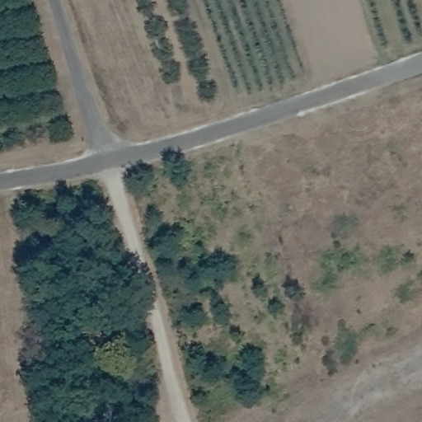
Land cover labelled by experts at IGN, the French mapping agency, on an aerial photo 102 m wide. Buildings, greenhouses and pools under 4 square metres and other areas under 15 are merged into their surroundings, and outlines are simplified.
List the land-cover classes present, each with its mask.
<instances>
[{"label":"herbaceous vegetation","instance_id":"1","mask_svg":"<svg viewBox=\"0 0 422 422\"><path fill-rule=\"evenodd\" d=\"M36 8L40 15L41 33L49 53L46 61L16 64L12 68L0 69V76L7 77L26 69L43 68L53 63L58 74L56 89L41 91L40 99L45 101L48 96L61 94L66 110V114L56 115L53 119H49L45 114L26 122H18L16 129L25 143L20 147L16 145L10 150L0 152V175L63 165L61 160L64 158L77 157L89 150V135L77 105L73 79L69 73L68 61L64 56L63 43L59 38L49 0H0V18L20 16L26 12H33ZM68 120H71L73 125L71 140L51 142L49 122L59 124ZM155 3L153 13L162 16L166 21L165 36L170 41L173 58L180 63V79L168 84L163 81L160 73L162 64L153 56L150 38L145 31V16L137 10V0H61L77 58L81 61L87 89L96 102L102 125L109 135L115 132L125 138L127 143L160 137L176 130L190 129L208 120H218L219 124H223L221 119L226 115L252 107L264 110L272 105L285 104L288 101H295L297 94L307 91L305 77L287 79L284 84H275L274 89H257L249 94L246 89L239 91L237 87H232L231 77L224 66L223 56L219 51L218 41L214 36L203 0H188V15L191 21L196 23V31L208 59L206 76L209 81L216 84L214 99L203 101L199 99L198 82L188 69V61L175 30L178 15H173L168 10L166 0H152ZM387 38V46H381L374 28L373 15L366 0H363L361 5L364 21L373 45L376 46V61L379 66L394 63L396 59L414 54L412 51L419 46L410 38V41L404 40L399 30V21L392 0H374ZM186 160H190L191 171L185 186L180 188H175L170 178L163 176L162 157L150 158L147 163L153 166V178L147 185L152 195L143 196L135 201V208L143 218L148 204H155L166 224L175 223L178 218H186L195 219L196 223L201 224L204 216H209V221L216 227V236L204 244L208 252L221 249L239 260L236 282L224 284L219 290L224 302H229V318L232 323L229 330L232 338L227 341V349L239 351L246 345L262 346L265 371L260 384L270 386L269 394L262 397L257 406H242L241 409L224 414L226 422H422V389H415L399 399H379L374 406L359 409L354 415L349 414L345 407L338 406L333 397L336 384L353 381L366 368H382L379 356H389L404 349L412 351L422 338V293L409 302H401L397 297V287L406 280H412L410 288L422 290V73L417 74L414 79L412 76L399 77L396 81L384 82L371 89L300 110L297 114L287 115L254 129L199 143L181 152ZM341 214H356L359 221V226L354 229L353 234H349L348 239L341 242L346 251L359 246L364 256H373L379 254L382 247L404 246L407 251L414 254V260L402 267H396L389 274H382L381 267L376 264L351 265L341 274L340 279L336 280V288H328L325 292L313 290V282L323 279L320 260L315 256L325 254L333 246L330 224L335 216ZM295 305L312 307V315L318 316V326L303 335L305 349L293 345L292 336L288 335L282 325L284 321L292 318ZM340 320H345L351 331L361 330L369 323L371 333L363 343H359L351 363L335 361L336 373L331 376L323 364L326 351L321 338L328 336L330 341L336 340ZM38 198L48 201V208L45 211L48 219L56 218L58 206L64 198L71 199L74 204H84L87 209H91L92 206L105 208L109 204V198H105L102 186H99L96 180H87L82 185L74 186H68L66 183L58 181L56 185L51 190H31ZM51 244V237L38 231L20 241L16 242L13 251V262L18 267L25 264L26 260H35L40 252L45 251ZM152 280L155 285L153 308L162 313L165 321L173 368L183 394L190 397L186 401V407L193 422H198V409L191 402V392L186 384L183 358L180 348L176 345L175 328L171 321L160 277L157 269L150 272ZM206 323L199 328V343L203 345L214 338H219L223 330L221 325L214 323L213 308L209 297H206L201 303ZM119 331L114 330L110 331L109 335L101 333V336H76L73 338V345L86 341L87 345L94 348L104 346L105 343L119 338ZM155 409L160 422H176L168 391L162 382L158 381V401Z\"/></svg>","mask_w":422,"mask_h":422},{"label":"deciduous trees","instance_id":"2","mask_svg":"<svg viewBox=\"0 0 422 422\"><path fill-rule=\"evenodd\" d=\"M155 3L152 0H137V10L145 16V31L150 38L153 56L162 64L160 73L163 81L168 84L180 79V63L173 58L170 41L165 36L166 21L162 16L153 13ZM168 10L173 15H178L175 30L188 61V69L198 82L199 99L203 101L214 99L216 84L209 81L206 76L208 59L196 31V23L191 21L188 15V0H166ZM373 15L374 28L381 46H387V38L374 0H366ZM399 21V30L404 40L410 41V38L407 21L402 13L401 0H392ZM49 53L41 33L40 15L36 8L33 12H26L20 16L0 18V69L12 68L16 64L46 61ZM58 74L53 63L43 68L26 69L7 77L0 76V152L10 150L16 145L20 147L25 143L16 129L18 122H26L45 114L49 119H53L56 115L66 114V110L61 94L48 96L45 101L40 99L41 91L56 89ZM51 142L71 140L73 125L71 120H68L59 124L49 122ZM163 176L170 178L175 188H180L185 186L191 171L190 160H186L181 152L166 148L162 157ZM153 166L147 163H135L125 171V190L134 196L135 201L143 196L152 195L147 185L153 178ZM48 201L38 198L31 190L23 191L21 195L16 196L10 209L20 241L38 231L51 237V244L45 251L40 252L35 260H26L25 264L18 267L15 275L23 292V307L26 312L25 325L18 331V336L23 341L18 353V376L21 384L25 386L30 422H160L155 409L158 401V381L162 374V364L158 359L155 335L152 328L147 325L148 315L153 308L155 285L152 280L150 282L142 279L140 272L135 274L134 270L120 260L129 249L125 247L124 237L119 229L115 227L114 208L109 204L105 208L92 206L91 209H87L84 204H74L71 199L64 198L58 206L56 218L48 219L45 211L48 208ZM114 330L119 331V338L105 343L104 346L94 348L87 345L86 341L73 345V338L76 336H101V333L109 335L110 331ZM185 231L180 224L175 223L166 224L155 204H148L143 218V241L148 254L155 260L157 269L160 277L180 275L181 279H185L186 287L195 293H203L206 297H209L213 308L214 323L221 325L229 318V302H224L219 290L224 284L236 282L239 260L221 249L208 252L199 256L198 264L195 265L191 264L188 257L180 259L178 264L173 262L171 257L175 256L176 251H180L181 237ZM206 323L201 303L183 305L178 316L171 321L175 328H199ZM183 358L190 356L196 359L199 356L206 359L201 376L204 381L226 379L234 387V399L241 402L242 406H257L262 397L269 394L270 386L260 384L265 371L262 346L246 345L239 351L232 364L227 361L226 356H216L211 351H204L203 345L199 343H185L180 348Z\"/></svg>","mask_w":422,"mask_h":422},{"label":"agricultural land","instance_id":"3","mask_svg":"<svg viewBox=\"0 0 422 422\"><path fill-rule=\"evenodd\" d=\"M363 0H203L214 36L218 41L219 51L223 56L224 66L231 77L232 87H237L239 91L246 89L249 94L257 89H274L275 84H284L287 79L305 77L307 91L331 81H340L343 84L351 81L349 76L353 74H361L379 66L376 61V46L373 45L364 21L361 5ZM402 13L407 21L410 38L419 46L412 51L414 54L422 53V0H401ZM56 185L54 181H48L35 185L10 186L0 190V422H30L25 386L21 384L18 376V353L23 341L18 336V331L25 325L26 312L23 307V292L15 275L18 267L13 262V251L16 242L20 241L10 209L16 196L21 195L23 191L31 190H51Z\"/></svg>","mask_w":422,"mask_h":422},{"label":"brushwood","instance_id":"4","mask_svg":"<svg viewBox=\"0 0 422 422\"><path fill-rule=\"evenodd\" d=\"M333 246L325 254L315 256L320 260L323 279L313 282V290L325 292L328 288H336V280L340 279L341 274L351 265L376 264L381 267L382 274H389L396 267H402L414 260V254L407 251L404 246L382 247L379 254L373 256H364L359 246L346 251L341 242L348 239L349 234H353L354 229L359 226V221L356 214H341L335 216L330 224ZM175 223L180 224L185 231L181 237L180 251H176L175 256L171 257L173 262L178 264L180 259L188 257L191 264L195 265L198 264L199 256L208 252L204 244L216 236V227L209 221V216H204L201 224L196 223L195 219L186 218H178ZM171 321L178 316L183 305L201 303L206 297L203 293H195L186 287L185 279H181L180 275L160 277ZM412 280H406L397 287V297L401 302H409L422 293V290L410 288ZM282 325L288 335L292 336L293 345L305 349L303 335L318 326V316L312 315V307L295 305L292 318L284 321ZM223 330L219 338H214L203 345L204 351H211L216 356H226L227 361L232 364L239 351L227 349V341L232 338L229 330L232 323L229 318L221 325ZM371 333L369 323L361 330L351 331L345 320H340L336 340L330 341L328 336L321 338L326 351L323 364L331 376L336 373L335 361L351 363L359 343H363ZM199 328H175L176 345L180 348L185 343H199ZM206 359L199 356L196 359L190 356L183 358L186 384L191 392V402L198 409V422H226L224 414L241 409L242 406L241 402L234 399V387L226 379L204 381L201 376Z\"/></svg>","mask_w":422,"mask_h":422},{"label":"impervious surface","instance_id":"5","mask_svg":"<svg viewBox=\"0 0 422 422\"><path fill-rule=\"evenodd\" d=\"M59 38L63 43L64 56L68 61L69 73L73 79L77 105L89 135V150L77 157L64 158L61 160L63 165L0 175V190L10 186L35 185L48 181H54L56 185L58 181L66 183L69 178L109 168H122L125 171L135 163H147L150 158L162 157L166 148L181 152L199 143L254 129L287 115L297 114L300 110L371 89L384 82L396 81L399 77L412 76L414 79L417 74L422 73V53L414 54L396 59L394 63L379 66L361 74H353L349 76L351 81L343 84L340 81H331L307 91L297 94L295 101H288L285 104L272 105L264 110L252 107L226 115L221 119L223 124H219L218 120H208L190 129L176 130L160 137L127 143L125 138L115 132L109 135L102 125L96 102L87 89L81 61L77 58L61 0H49Z\"/></svg>","mask_w":422,"mask_h":422},{"label":"pervious surface","instance_id":"6","mask_svg":"<svg viewBox=\"0 0 422 422\"><path fill-rule=\"evenodd\" d=\"M125 171L122 168H109L69 178L66 183L68 186H74L82 185L87 180H96L99 186H102L105 198H109V204L114 208L115 227L119 229L124 237L125 247L129 249L120 260L134 270L135 274L140 272L142 279L150 282L152 280L150 272L157 269L155 260L148 254L143 241V218L135 208V201L134 196L125 190ZM147 325L152 328L155 335L158 359L162 364V374L158 381L162 382L168 391L176 422H193L186 407V401L190 397L183 394L173 368L165 321L162 313L153 308L148 315ZM382 368H366L353 381L336 384L333 397L338 406L345 407L349 414L354 415L359 409L374 406L379 399H399L415 389H422V338L412 351L404 349L389 356H379Z\"/></svg>","mask_w":422,"mask_h":422}]
</instances>
